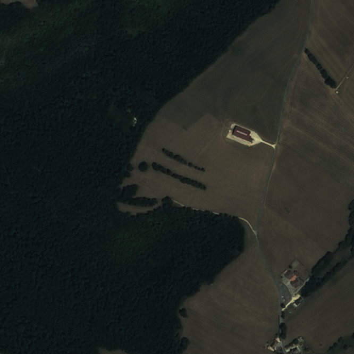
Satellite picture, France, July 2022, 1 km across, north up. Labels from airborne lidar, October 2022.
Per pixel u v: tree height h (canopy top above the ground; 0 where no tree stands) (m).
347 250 0
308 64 0
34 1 0
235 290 0
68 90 31
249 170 0
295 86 0
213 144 0
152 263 21
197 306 0
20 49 6
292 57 0
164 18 8
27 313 28
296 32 0
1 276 15
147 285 6
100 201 14
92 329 30
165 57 31
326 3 0
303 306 0
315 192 0
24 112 25
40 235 25
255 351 0
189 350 0
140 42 25
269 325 0
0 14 16
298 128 0
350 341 0
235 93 0
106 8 23
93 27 10
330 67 0
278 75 0
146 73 24
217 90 0
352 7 0
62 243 30
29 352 25
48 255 35
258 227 0
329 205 0
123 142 20
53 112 23
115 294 32
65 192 21
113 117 0
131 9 7
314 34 0
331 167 0
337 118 0
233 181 0
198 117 0
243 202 0
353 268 0
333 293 0
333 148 0
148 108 23
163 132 0
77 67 29
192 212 19
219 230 21
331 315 0
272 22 0
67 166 23
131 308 24
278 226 0
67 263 34
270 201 0
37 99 30
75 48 19
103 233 22
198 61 22
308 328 0
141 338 33
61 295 29
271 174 0
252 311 0
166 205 16
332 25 0
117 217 13
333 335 0
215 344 0
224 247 16
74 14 7
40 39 9
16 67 6
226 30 21
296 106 0
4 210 28
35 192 20
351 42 0
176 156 10
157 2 7
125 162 16
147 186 0
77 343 21
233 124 0
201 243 23
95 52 20
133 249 10
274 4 20
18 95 23
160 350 12
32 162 24
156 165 18
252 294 0
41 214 25
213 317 0
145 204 14
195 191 0
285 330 14
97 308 31
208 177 0
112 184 16
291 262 0
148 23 14
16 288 29
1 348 18
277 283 0
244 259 0
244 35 0
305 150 0
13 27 16
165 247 14
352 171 0
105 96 11
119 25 7
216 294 0
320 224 0
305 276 0
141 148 0
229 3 27
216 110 0
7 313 22
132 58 26
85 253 20
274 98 0
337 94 0
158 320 30
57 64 17
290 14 0
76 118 26
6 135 35
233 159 0
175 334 7
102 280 29
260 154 0
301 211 0
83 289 32
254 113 0
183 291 24
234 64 0
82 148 24
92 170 21
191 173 0
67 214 27
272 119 0
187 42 25
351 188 0
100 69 30
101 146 20
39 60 9
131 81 6
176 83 22
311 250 0
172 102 0
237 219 15
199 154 0
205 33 25
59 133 25
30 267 28
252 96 0
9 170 27
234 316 0
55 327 21
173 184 0
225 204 0
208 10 31
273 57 0
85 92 20
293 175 0
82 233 27
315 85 0
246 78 0
